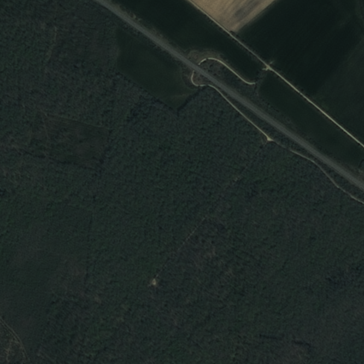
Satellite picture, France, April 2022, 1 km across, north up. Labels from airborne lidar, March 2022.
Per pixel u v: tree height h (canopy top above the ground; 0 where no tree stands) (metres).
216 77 7
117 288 24
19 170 22
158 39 0
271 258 24
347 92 0
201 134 24
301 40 0
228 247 24
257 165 21
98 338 23
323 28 0
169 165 25
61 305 25
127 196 22
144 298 24
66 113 21
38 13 22
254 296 26
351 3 0
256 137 21
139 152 24
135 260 23
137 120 25
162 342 22
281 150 20
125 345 23
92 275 21
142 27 0
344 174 0
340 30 0
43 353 22
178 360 24
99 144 9
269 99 0
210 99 25
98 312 26
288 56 0
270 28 0
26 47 21
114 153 26
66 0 22
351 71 0
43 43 25
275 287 24
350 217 24
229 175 24
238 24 0
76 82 24
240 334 25
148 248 25
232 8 0
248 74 0
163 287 19
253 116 7
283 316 24
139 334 21
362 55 0
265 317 22
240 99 0
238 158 23
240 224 22
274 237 23
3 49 21
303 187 23
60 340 22
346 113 0
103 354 23
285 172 26
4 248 17
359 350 24
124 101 25
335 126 6
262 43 0
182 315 23
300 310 21
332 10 0
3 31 22
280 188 21
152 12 0
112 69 12
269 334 22
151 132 23
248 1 0
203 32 0
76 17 23
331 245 24
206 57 0
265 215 25
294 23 0
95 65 6
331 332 24
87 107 24
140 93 20
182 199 22
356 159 0
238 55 0
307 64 0
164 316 24
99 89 23
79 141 8
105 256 25
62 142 25
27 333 0
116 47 17
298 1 0
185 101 0
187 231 23
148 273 24
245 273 20
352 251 24
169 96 0
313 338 24
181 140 26
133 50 0
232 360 21
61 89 24
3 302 0
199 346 23
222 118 21
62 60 24
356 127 0
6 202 24
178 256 19
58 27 21
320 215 24
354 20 0
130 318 26
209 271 22
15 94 25
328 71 0
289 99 0
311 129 0
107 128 21
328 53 0
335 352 26
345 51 0
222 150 19
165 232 25
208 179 23
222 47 0
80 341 22
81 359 28
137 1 0
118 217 24
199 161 21
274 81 0
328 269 22
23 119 25
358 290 23
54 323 24
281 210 26
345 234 21
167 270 19
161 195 24
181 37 0
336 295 24
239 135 28
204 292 20
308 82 0
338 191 19
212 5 0
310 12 0
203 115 25
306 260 23
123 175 24
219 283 24
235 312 22
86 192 27
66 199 20
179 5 0
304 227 21
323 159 0
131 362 22
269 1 0
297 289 21
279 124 0
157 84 0
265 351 24
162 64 0
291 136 0
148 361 22
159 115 25
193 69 0
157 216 25
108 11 9
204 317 20
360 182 0
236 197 21
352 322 23
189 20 0
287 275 22
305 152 9
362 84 0
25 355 7
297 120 0
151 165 24
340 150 0
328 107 0
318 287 27
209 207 25
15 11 20
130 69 0
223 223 24
